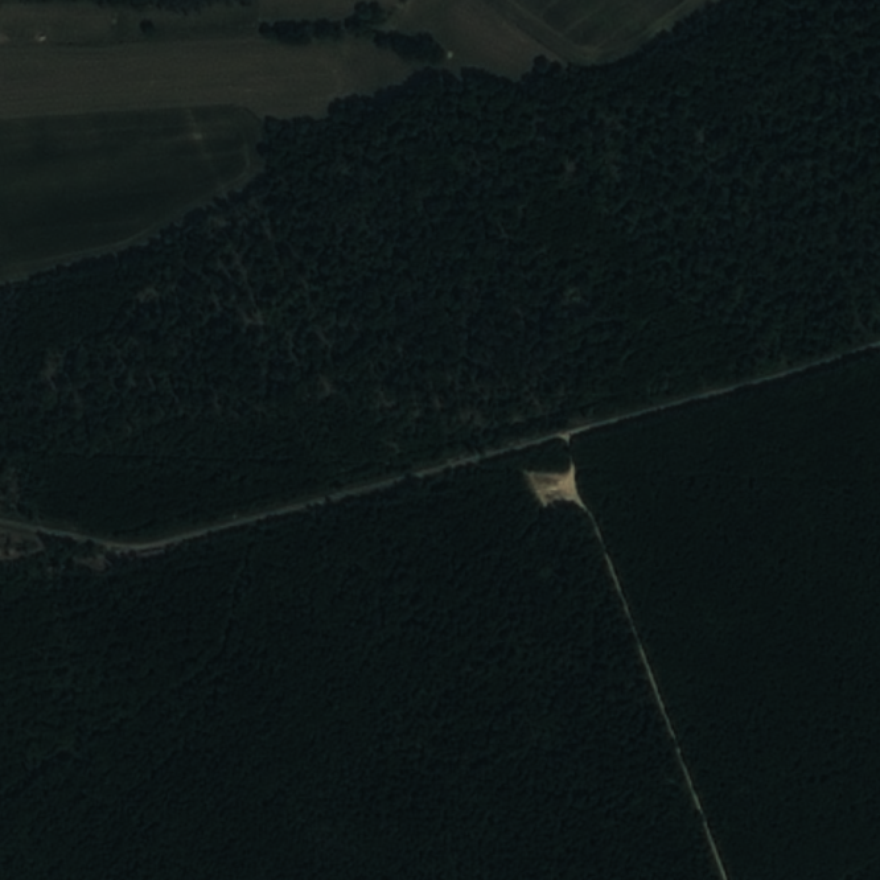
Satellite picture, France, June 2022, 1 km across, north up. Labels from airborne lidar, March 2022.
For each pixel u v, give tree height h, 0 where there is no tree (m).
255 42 0
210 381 24
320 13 0
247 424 6
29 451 21
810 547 12
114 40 0
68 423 17
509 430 12
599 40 0
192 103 0
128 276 16
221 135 0
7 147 0
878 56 21
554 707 18
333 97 0
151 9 0
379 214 24
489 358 23
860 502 14
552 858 22
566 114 26
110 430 23
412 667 13
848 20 24
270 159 17
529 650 11
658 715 18
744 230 21
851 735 13
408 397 22
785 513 10
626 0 0
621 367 14
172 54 0
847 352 0
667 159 19
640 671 20
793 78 23
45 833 12
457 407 7
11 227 0
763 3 20
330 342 12
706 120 20
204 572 15
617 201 23
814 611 13
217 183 0
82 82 0
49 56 0
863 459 13
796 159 24
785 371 0
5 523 0
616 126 0
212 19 0
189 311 25
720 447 12
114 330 21
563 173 18
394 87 0
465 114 24
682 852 19
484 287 21
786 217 21
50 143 0
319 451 6
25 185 0
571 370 20
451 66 0
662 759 21
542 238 8
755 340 15
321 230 28
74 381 26
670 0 0
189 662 19
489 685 12
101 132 0
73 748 0
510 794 18
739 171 21
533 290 25
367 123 20
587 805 21
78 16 0
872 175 18
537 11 0
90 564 0
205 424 8
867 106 20
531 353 28
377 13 17
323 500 0
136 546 0
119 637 12
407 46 23
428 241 24
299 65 0
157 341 25
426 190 23
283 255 24
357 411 6
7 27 0
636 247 24
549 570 19
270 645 17
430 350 24
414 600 21
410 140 26
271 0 0
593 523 17
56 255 0
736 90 21
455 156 21
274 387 21
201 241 26
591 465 6
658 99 20
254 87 0
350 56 0
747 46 25
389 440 6
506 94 26
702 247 18
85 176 0
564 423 17
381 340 26
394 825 22
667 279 23
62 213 0
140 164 0
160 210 0
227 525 0
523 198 17
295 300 23
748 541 13
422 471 0
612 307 9
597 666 20
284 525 11
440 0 0
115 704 0
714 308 24
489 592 17
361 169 24
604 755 19
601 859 19
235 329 25
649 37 0
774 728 14
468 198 23
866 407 12
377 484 0
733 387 0
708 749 11
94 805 15
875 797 13
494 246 22
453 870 19
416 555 19
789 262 20
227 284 27
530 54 0
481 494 13
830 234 26
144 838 0
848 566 12
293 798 14
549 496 0
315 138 16
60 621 7
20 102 0
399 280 26
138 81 0
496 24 0
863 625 14
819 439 11
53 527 0
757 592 13
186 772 14
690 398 0
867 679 14
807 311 10
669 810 16
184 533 0
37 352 18
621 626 17
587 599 19
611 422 0
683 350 11
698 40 23
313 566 16
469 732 9
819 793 10
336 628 15
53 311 17
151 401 14
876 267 21
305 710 16
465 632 18
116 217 0
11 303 16
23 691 6
